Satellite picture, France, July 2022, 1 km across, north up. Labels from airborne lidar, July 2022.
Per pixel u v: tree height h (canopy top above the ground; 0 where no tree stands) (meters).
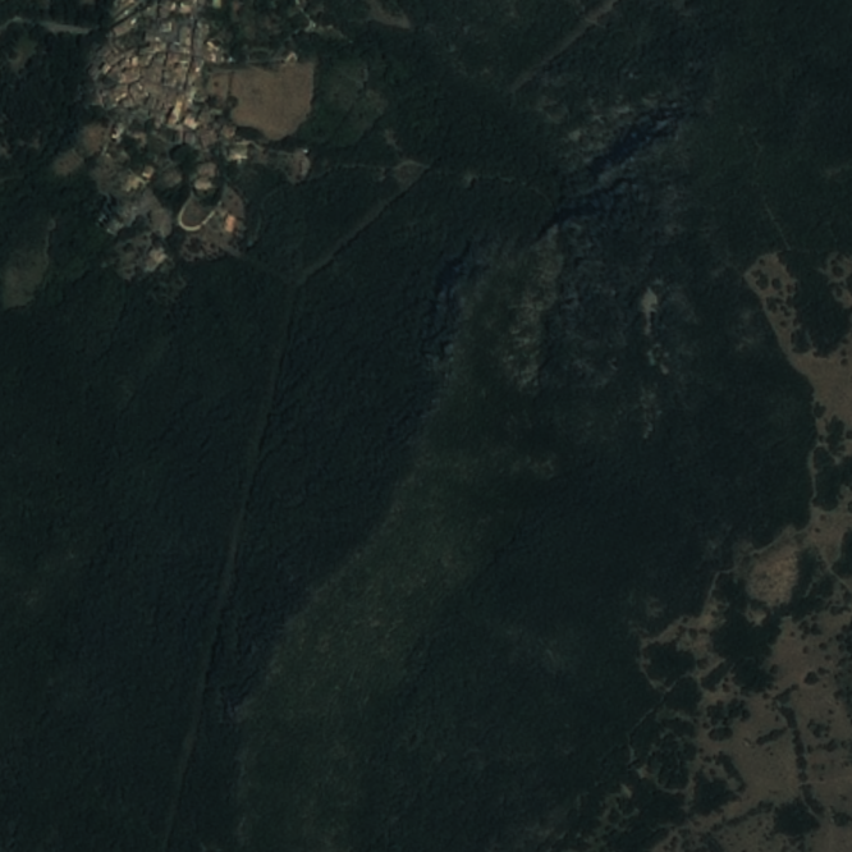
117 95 0
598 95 8
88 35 7
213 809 6
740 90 6
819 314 10
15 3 19
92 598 9
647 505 6
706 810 7
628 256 7
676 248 6
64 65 16
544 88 7
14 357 13
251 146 6
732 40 7
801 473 6
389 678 7
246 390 9
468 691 6
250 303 11
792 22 8
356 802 7
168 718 8
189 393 9
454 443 9
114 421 12
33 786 11
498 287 6
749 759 0
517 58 8
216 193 8
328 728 7
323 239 9
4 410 10
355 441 10
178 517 8
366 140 7
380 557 6
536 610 6
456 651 10
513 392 9
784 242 7
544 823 6
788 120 7
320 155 9
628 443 6
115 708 7
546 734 5
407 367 8
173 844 9
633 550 8
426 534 7
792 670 0
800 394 6
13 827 10
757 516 6
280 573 6
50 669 16
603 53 8
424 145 11
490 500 10
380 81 16
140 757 11
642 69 8
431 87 8
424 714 7
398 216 9
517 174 6
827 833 0
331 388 7
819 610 6
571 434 7
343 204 10
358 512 6
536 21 7
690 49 6
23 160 26
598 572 6
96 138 0
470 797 7
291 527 10
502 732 5
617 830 9
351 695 7
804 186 6
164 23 0
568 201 13
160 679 8
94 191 7
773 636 7
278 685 5
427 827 7
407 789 7
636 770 7
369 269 11
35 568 9
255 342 12
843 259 7
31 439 13
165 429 8
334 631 6
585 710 10
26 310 13
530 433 7
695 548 8
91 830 14
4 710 9
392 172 9
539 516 7
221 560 7
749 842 0
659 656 6
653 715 7
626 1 8
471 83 10
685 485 6
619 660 6
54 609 12
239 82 0
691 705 6
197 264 7
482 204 8
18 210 11
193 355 10
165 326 7
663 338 6
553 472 6
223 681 11
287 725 5
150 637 9
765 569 0
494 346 8
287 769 8
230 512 10
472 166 10
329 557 6
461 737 7
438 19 7
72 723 9
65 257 13
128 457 14
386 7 6
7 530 10
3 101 26
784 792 0
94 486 21
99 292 8
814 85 9
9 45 12
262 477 8
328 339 8
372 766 8
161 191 6
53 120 14
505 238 5
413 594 7
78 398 17
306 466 10
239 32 12
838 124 7
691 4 9
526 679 7
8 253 9
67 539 11
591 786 7
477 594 8
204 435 8
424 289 8
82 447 20
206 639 10
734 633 8
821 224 9
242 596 12
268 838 6
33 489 10
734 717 7
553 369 6
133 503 11
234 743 6
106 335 9
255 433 8
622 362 6
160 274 5
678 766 8
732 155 7
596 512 7
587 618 7
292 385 6
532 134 8
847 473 7
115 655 10
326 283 9
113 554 14
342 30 10
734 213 6
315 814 7
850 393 0
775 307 6
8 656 13
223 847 6
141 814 9
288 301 8
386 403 9
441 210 8
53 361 18
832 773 0
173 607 10
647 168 7
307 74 0
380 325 7
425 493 6
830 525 0
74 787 10
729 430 6
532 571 9
